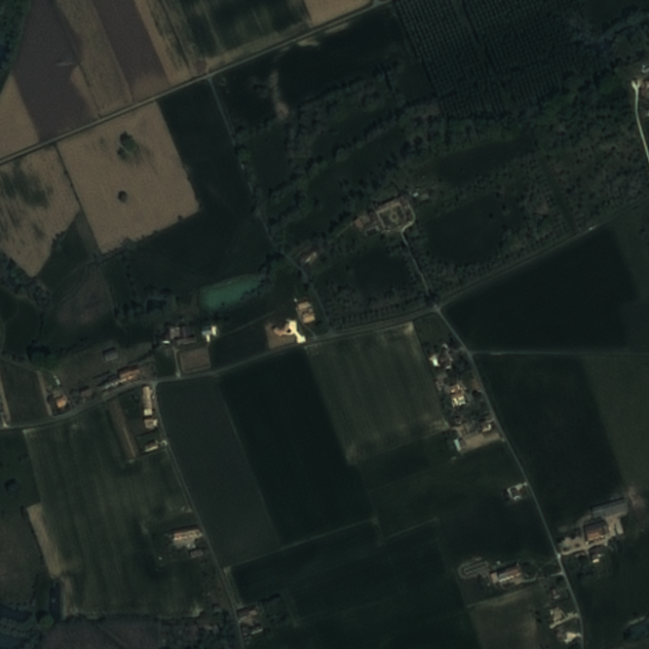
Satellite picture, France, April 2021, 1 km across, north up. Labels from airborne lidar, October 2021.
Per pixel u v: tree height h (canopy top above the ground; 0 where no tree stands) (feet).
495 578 0
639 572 0
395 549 0
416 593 0
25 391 0
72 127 0
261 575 0
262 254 0
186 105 0
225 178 0
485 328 0
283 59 0
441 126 72
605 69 75
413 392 0
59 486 0
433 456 0
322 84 0
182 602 0
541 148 42
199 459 0
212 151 0
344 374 0
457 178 0
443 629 0
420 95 0
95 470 0
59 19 0
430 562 0
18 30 73
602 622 0
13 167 0
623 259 0
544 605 0
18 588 0
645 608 0
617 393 0
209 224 0
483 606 0
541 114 58
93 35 0
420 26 75
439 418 0
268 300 0
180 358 0
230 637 40
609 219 0
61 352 20
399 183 42
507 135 70
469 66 82
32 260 0
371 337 0
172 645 62
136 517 0
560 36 89
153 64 0
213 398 0
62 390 26
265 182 0
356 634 0
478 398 24
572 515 0
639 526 0
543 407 0
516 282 0
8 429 0
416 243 36
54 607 0
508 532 0
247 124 0
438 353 25
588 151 23
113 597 0
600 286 0
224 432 0
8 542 0
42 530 0
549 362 0
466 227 0
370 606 0
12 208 0
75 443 0
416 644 0
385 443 0
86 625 62
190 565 0
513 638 0
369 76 0
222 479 0
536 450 0
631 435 0
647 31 89
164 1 0
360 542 0
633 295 0
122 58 0
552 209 27
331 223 0
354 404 0
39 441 0
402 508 0
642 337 0
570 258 0
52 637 71
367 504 0
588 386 0
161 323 0
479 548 0
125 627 73
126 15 0
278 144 0
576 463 0
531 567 20
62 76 0
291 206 0
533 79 89
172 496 0
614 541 0
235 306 0
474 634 0
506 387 0
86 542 0
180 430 0
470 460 0
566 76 78
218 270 0
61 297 0
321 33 0
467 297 0
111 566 0
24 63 0
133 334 0
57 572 0
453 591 0
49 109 0
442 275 30
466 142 56
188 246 0
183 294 0
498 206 0
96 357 0
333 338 0
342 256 28
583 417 0
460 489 0
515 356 0
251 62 0
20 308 0
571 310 0
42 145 0
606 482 0
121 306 0
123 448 0
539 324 0
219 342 0
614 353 0
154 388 0
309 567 0
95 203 0
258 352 0
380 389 0
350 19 0
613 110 31
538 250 19
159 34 0
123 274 0
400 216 40
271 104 0
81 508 0
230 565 0
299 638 0
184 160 0
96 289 0
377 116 0
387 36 0
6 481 0
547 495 0
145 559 0
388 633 0
